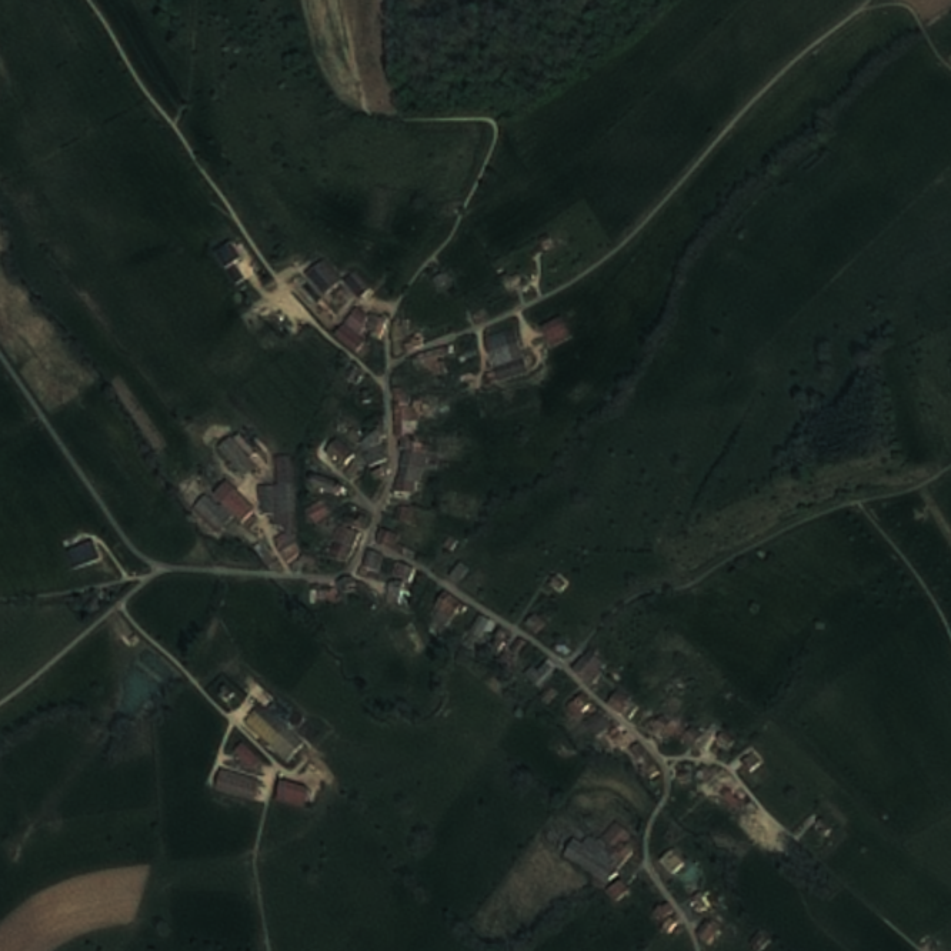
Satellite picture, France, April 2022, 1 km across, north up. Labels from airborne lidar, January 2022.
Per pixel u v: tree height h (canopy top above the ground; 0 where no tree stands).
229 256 0
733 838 0
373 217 0
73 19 0
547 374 0
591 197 0
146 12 0
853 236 0
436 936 0
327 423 0
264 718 0
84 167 0
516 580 0
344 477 0
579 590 0
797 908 0
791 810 0
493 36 29
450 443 0
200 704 0
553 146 0
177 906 0
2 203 0
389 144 0
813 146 18
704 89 0
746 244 0
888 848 0
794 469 13
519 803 0
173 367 0
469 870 0
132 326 0
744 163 0
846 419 12
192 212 0
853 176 0
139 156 0
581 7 28
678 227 0
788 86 0
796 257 0
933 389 0
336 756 0
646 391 0
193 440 0
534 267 0
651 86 0
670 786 0
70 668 0
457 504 0
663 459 0
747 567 11
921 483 0
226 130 0
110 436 0
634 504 0
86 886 0
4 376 0
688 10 0
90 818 0
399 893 0
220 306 0
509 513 0
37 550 0
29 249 0
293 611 11
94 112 0
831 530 0
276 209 0
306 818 0
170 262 0
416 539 0
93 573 0
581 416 0
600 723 0
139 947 0
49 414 0
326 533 0
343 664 0
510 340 0
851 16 0
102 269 0
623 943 0
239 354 0
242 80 0
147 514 0
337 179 0
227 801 0
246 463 0
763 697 0
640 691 0
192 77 0
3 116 0
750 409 0
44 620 0
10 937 0
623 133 0
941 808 0
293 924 0
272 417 0
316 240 0
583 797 0
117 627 0
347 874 0
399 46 26
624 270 0
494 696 0
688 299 0
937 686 0
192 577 0
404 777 0
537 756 0
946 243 0
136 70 0
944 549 0
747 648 0
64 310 0
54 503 0
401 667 0
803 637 0
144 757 0
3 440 0
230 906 0
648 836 0
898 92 0
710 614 0
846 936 0
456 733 0
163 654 0
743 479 0
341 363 7
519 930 0
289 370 0
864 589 0
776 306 0
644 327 0
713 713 0
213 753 0
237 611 0
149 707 0
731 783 0
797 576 0
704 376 0
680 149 0
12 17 0
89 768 0
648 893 8
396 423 0
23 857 0
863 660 0
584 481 0
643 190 0
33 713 0
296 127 0
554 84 23
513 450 0
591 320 0
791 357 0
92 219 0
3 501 0
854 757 0
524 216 0
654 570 0
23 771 0
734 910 0
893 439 12
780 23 0
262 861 0
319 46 0
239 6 0
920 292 0
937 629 0
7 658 0
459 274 9
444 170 0
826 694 0
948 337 0
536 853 0
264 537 0
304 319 0
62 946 0
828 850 0
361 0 0
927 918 0
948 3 0
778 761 0
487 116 17
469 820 0
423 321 0
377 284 0
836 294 0
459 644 17
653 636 0
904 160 0
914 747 0
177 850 0
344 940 0
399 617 0
